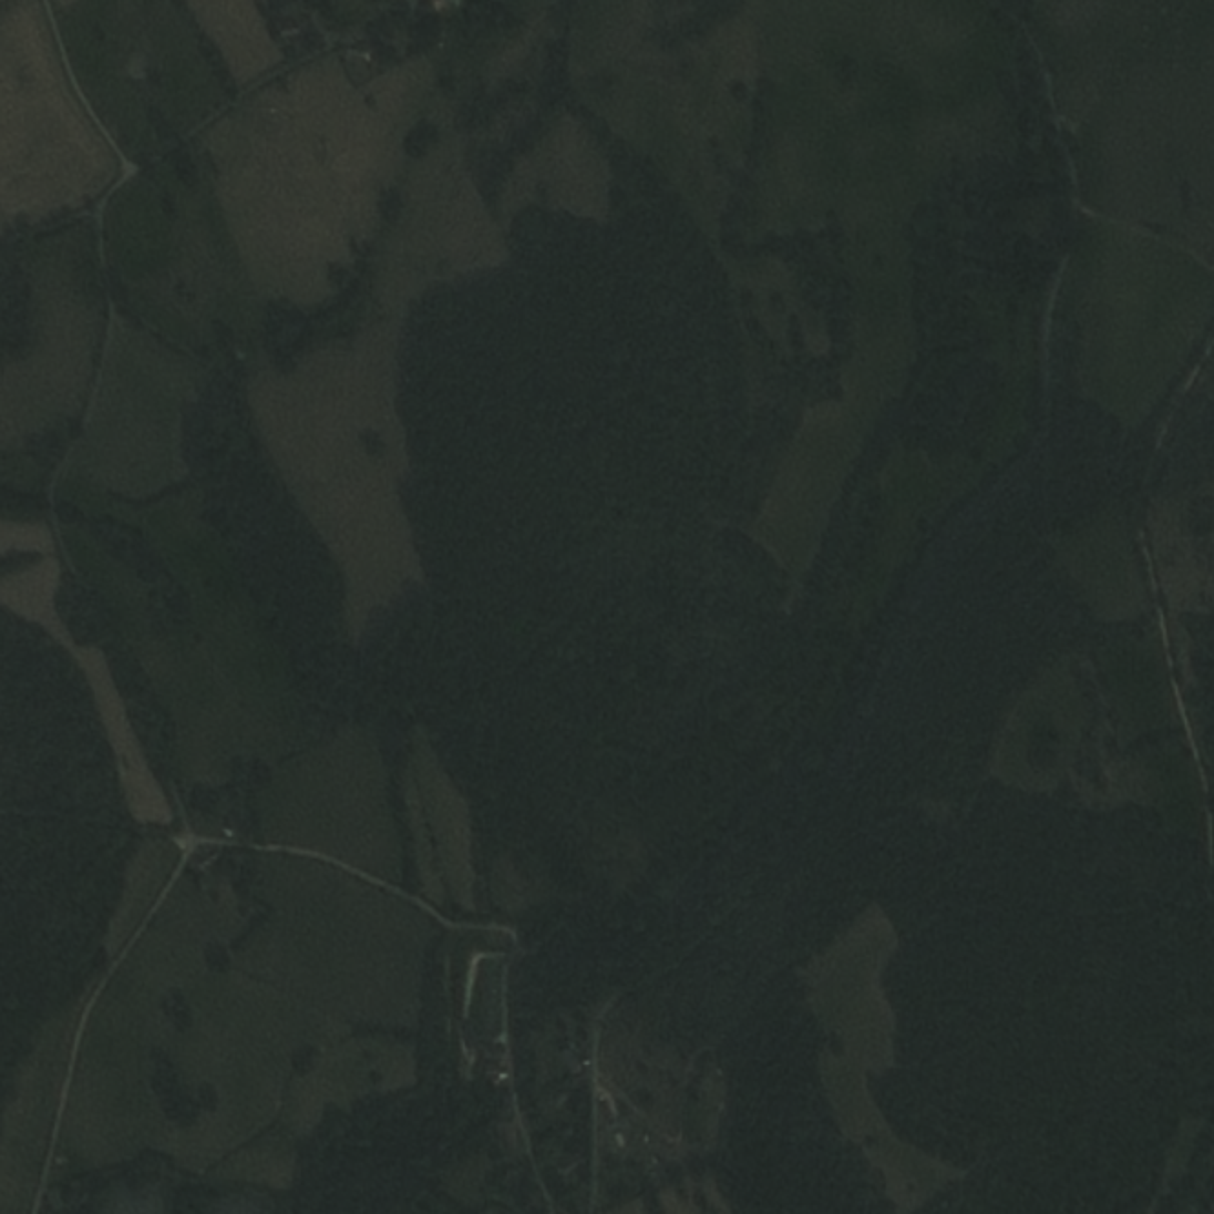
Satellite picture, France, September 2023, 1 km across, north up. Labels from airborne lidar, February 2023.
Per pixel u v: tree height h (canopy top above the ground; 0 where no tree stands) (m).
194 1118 6
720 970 11
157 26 0
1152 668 0
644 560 7
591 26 0
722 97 0
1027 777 0
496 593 16
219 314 0
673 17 0
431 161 0
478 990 0
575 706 17
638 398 12
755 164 9
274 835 0
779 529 0
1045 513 16
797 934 14
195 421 17
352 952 0
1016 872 14
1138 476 15
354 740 0
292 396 0
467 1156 0
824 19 0
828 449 0
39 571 0
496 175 13
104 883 16
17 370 0
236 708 0
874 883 12
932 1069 11
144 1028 0
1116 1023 15
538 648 7
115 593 0
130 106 0
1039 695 0
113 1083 0
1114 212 0
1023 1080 15
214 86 0
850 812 18
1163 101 0
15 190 0
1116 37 0
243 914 7
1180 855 18
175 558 0
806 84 0
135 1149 0
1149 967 15
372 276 6
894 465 0
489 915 12
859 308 0
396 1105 8
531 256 7
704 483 8
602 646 16
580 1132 5
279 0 17
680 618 10
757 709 12
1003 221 19
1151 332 0
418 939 0
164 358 0
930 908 14
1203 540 0
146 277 0
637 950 25
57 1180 0
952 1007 11
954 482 0
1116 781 0
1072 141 9
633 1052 0
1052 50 0
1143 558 8
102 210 0
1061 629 12
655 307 7
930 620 17
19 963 24
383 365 0
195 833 0
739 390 16
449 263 0
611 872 0
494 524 13
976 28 0
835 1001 0
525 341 10
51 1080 0
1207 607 0
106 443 0
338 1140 10
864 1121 0
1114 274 0
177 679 0
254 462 18
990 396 18
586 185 0
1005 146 0
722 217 8
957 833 13
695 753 15
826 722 0
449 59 0
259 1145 0
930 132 0
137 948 0
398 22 14
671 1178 13
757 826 17
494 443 16
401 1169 17
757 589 7
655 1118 0
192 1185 9
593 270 11
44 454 17
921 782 15
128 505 6
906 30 0
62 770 10
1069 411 11
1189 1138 0
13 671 17
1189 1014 21
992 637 16
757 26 0
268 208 0
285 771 0
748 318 6
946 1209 6
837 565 12
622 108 0
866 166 0
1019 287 8
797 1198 10
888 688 19
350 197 0
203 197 0
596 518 10
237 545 10
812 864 21
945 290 7
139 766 0
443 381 15
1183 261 0
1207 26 0
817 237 6
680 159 0
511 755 15
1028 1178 13
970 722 12
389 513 0
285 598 19
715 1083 0
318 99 0
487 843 14
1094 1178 18
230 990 0
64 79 0
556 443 13
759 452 12
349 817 0
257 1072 0
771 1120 7
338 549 0
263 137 0
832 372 9
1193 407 8
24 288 15
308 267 0
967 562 19
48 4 0
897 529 0
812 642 21
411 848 9
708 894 20
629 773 12
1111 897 18
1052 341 7
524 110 0
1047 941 15
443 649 14
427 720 21
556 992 9
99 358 6
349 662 16
